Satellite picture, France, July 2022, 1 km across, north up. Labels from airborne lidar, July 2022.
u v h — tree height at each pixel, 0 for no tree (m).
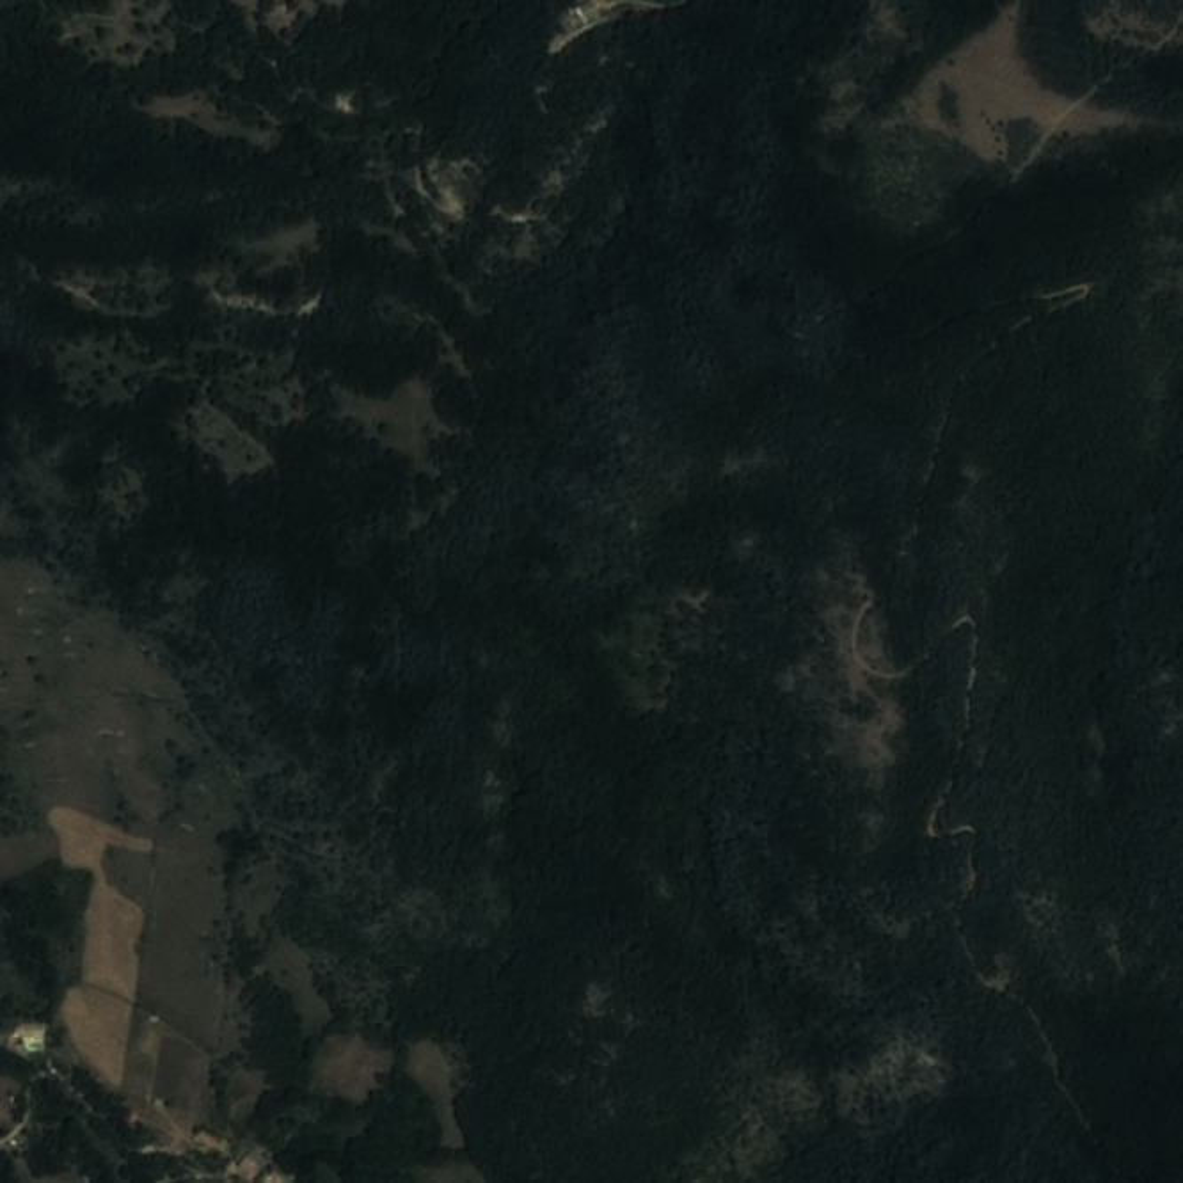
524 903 21
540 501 10
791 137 10
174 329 13
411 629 9
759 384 14
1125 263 12
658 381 8
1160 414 6
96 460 7
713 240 10
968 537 10
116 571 7
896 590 9
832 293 11
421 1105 18
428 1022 18
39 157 19
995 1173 10
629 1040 8
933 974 8
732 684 11
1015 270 15
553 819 19
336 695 8
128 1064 0
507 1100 14
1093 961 8
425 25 19
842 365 10
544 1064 12
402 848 12
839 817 9
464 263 12
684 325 10
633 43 10
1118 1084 12
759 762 6
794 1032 22
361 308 15
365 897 9
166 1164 13
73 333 10
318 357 14
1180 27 7
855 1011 8
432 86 12
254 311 13
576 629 14
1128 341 8
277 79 10
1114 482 19
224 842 12
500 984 19
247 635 10
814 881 7
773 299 12
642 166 14
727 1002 16
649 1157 11
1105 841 10
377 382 19
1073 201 17
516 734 13
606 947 13
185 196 8
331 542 16
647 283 10
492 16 18
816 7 14
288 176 19
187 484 9
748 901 21
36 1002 7
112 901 0
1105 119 0
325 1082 0
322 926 9
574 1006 10
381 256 15
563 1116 8
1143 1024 16
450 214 0
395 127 12
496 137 9
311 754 7
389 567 15
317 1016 0
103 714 0
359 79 13
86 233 10
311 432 13
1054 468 16
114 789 0
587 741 17
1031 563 16
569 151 6
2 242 15
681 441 6
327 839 10
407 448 0
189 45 17
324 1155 9
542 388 11
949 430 9
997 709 7
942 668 14
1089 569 18
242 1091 0
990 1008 10
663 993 16
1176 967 7
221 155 16
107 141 17
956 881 15
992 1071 7
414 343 11
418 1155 8
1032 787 11
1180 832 6
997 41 0
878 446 13
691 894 9
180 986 0
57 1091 18
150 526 10
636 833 21
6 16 23
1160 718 6
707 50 6
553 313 15
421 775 10
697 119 12
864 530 8
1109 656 9
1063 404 14
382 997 8
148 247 8
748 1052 7
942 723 14
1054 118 0
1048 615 15
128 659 0
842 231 8
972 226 13
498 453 11
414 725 12
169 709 8
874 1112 11
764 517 14
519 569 17
